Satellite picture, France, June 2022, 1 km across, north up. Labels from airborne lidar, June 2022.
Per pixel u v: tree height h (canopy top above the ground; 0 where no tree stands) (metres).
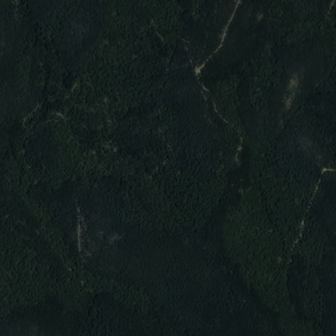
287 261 14
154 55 11
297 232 12
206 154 12
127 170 9
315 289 12
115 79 11
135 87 13
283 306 19
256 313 15
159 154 12
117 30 10
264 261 15
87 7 9
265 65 14
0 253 13
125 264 7
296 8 14
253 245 13
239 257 16
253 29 13
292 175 19
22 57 20
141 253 10
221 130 10
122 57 9
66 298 16
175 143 14
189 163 14
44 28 14
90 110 7
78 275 16
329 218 6
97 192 8
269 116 9
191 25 13
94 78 14
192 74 12
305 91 15
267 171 16
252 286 15
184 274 8
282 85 9
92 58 12
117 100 16
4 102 6
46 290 11
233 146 8
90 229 9
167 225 11
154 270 10
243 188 12
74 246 11
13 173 12
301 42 7
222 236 8
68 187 15
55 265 14
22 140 14
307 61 6
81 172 9
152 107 12
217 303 17
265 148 15
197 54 9
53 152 9
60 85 11
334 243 13
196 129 13
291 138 6
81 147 8
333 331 7
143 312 14
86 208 8
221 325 17
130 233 10
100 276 17
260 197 18
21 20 10
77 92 8
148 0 14
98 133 10
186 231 20
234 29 8
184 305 12
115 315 10
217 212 12
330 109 16
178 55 14
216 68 10
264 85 13
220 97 16
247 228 14
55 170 11
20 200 13
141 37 6
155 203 11
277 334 7
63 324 13
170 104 10
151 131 14
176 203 19
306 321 13
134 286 14
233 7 8
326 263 9
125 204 13
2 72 6
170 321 13
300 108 19
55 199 13
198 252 15
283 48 15
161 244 11
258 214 19
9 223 9
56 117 10
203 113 11
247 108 9
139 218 18
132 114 14
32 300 13
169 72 12
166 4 17
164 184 9
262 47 11
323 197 8
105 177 19
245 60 12
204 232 13
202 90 8
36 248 13
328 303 13
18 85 8
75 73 12
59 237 14
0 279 15
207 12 8
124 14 12
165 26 8
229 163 10
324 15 10
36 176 14
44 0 8
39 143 12
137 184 10
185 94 6
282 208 16
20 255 9
